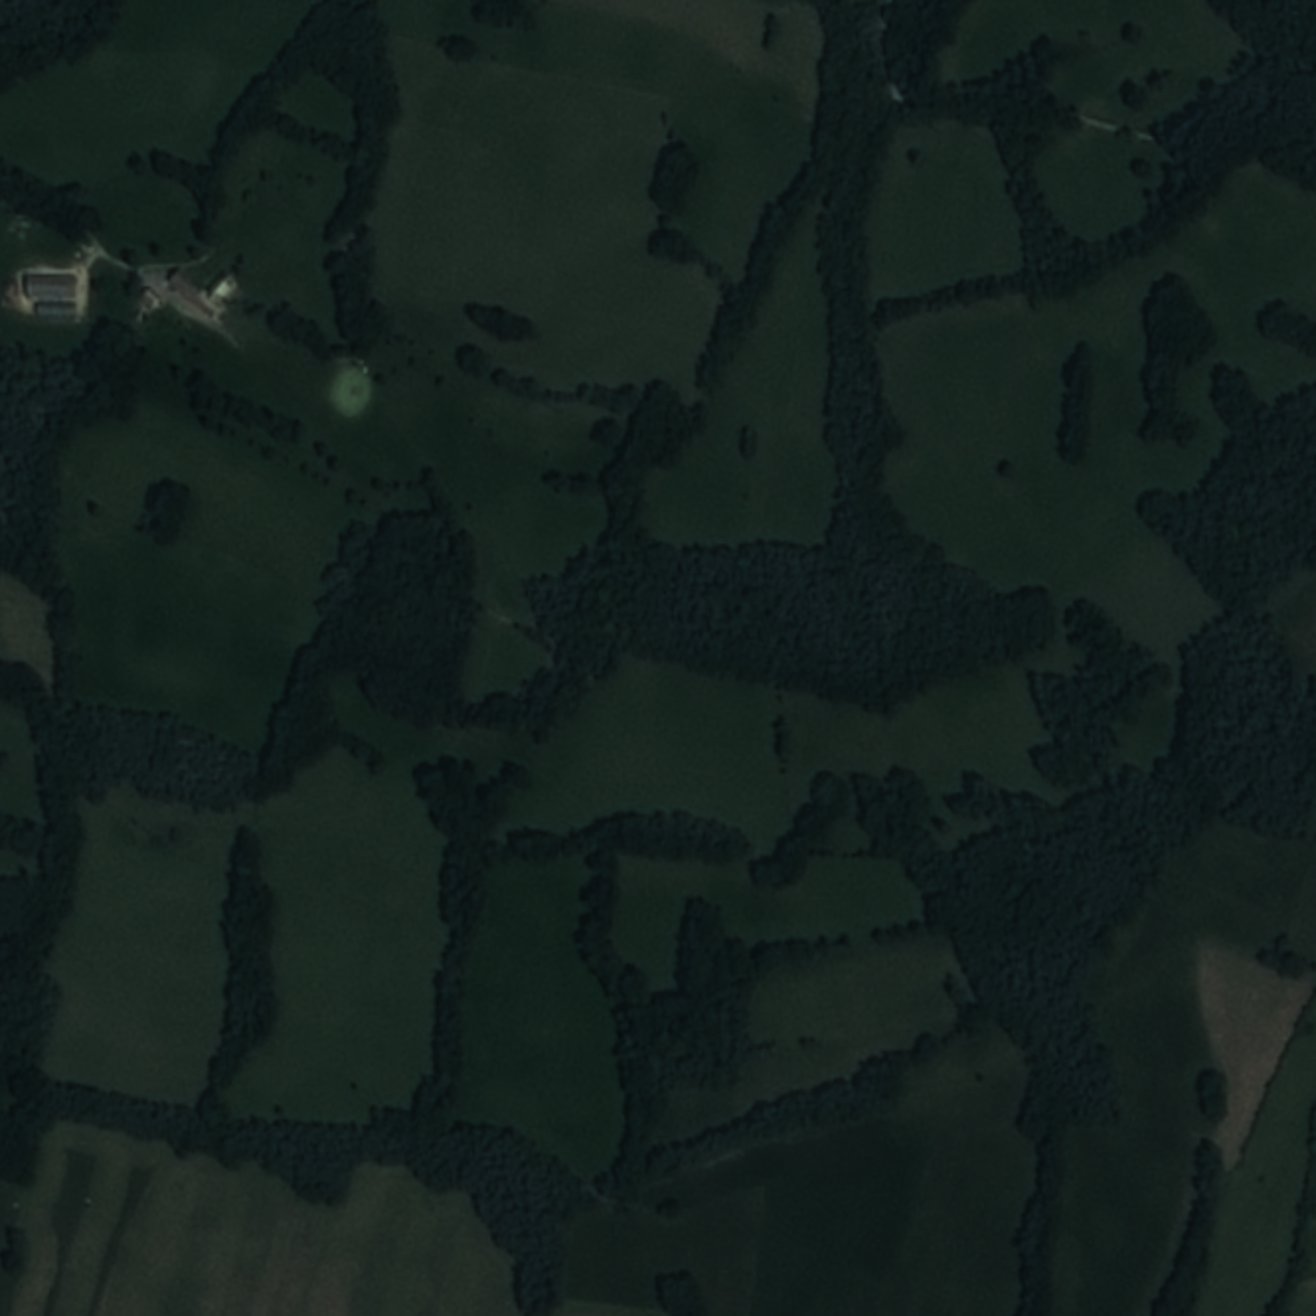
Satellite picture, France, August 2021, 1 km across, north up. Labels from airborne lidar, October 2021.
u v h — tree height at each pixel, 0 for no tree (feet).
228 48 0
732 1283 0
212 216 42
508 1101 0
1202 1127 0
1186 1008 0
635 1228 0
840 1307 0
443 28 0
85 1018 0
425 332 0
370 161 46
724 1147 35
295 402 0
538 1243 48
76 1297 0
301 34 32
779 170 0
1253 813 32
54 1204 0
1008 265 0
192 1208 0
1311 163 41
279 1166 45
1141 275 0
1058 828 31
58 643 47
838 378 39
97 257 0
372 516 0
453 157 0
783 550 58
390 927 0
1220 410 27
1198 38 0
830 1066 0
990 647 39
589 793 0
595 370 0
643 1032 73
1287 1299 28
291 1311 0
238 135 55
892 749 0
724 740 0
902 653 38
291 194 0
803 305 0
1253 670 60
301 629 0
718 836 42
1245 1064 0
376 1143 38
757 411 0
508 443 0
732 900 0
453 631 66
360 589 56
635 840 53
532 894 0
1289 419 59
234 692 0
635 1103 48
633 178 0
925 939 38
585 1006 0
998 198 0
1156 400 64
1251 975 0
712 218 0
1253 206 0
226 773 31
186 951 0
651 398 45
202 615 0
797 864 66
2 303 0
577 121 0
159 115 0
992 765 0
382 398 0
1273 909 0
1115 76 0
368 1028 0
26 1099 40
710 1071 46
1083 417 59
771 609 42
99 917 0
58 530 36
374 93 57
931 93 49
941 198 0
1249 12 55
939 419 0
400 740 0
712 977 56
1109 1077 40
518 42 0
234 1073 42
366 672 51
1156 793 63
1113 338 0
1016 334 0
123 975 0
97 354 78
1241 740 58
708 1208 0
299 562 0
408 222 0
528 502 0
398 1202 0
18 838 65
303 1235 0
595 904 66
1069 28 0
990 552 0
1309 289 0
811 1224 0
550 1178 36
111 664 0
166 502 68
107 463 0
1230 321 0
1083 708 51
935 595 42
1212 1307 0
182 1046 0
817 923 0
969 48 0
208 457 0
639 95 0
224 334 0
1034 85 53
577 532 0
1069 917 47
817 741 0
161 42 0
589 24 0
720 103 0
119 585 0
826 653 30
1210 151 62
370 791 0
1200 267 0
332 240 48
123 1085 0
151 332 0
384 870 0
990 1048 0
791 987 0
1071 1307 0
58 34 66
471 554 51
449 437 0
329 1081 0
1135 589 0
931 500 0
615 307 0
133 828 0
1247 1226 0
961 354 0
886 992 0
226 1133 41
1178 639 0
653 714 0
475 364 62
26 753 0
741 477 0
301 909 0
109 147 0
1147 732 0
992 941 47
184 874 0
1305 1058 0
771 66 0
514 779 67
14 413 34
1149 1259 0
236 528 0
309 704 64
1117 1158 0
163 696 0
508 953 0
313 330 67
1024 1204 0
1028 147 51
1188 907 0
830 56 48
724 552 41
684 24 0
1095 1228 0
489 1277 0
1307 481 43
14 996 52
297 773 39
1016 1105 0
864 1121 34
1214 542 37
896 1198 0
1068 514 0
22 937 45
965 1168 0
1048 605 59
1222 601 39
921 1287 0
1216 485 46
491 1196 36
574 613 33
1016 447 0
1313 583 0
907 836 59
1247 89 32
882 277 0
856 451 29
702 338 0
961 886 55
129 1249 0
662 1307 29
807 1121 31
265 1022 57
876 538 52
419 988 0
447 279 0
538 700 52
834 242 43
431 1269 0
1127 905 47
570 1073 0
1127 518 0
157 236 0
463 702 43
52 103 0
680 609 41
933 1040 43
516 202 0
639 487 48
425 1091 34
